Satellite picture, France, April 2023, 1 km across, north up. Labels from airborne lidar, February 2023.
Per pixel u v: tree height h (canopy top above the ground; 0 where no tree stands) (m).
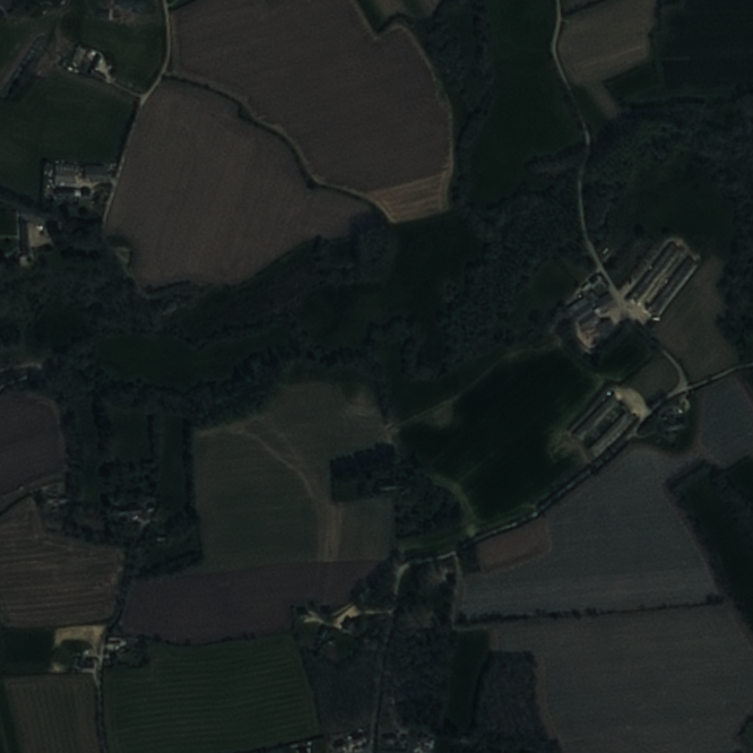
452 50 12
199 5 0
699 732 0
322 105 0
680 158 0
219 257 0
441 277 0
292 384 0
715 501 0
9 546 0
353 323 0
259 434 0
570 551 0
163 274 0
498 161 0
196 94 0
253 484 0
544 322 17
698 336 0
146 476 8
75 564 0
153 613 0
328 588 0
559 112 0
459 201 18
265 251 0
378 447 0
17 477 0
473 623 9
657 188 0
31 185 0
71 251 16
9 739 0
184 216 0
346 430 0
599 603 0
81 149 0
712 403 0
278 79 0
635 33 0
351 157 0
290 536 0
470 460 0
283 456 0
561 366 0
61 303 17
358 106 0
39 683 0
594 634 0
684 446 0
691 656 0
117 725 0
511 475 0
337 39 0
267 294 0
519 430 0
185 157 0
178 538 14
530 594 0
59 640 0
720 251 0
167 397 17
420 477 14
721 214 0
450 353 12
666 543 0
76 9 0
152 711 0
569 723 0
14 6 7
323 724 14
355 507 0
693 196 0
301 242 0
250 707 0
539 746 18
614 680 0
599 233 8
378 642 12
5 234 0
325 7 0
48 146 0
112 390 17
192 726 0
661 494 0
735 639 0
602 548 0
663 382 0
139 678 0
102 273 10
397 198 0
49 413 0
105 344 0
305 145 0
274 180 0
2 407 0
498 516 0
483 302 17
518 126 0
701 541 12
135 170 0
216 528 0
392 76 0
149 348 0
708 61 0
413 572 15
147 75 0
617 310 0
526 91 0
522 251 11
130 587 11
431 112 0
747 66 0
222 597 0
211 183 0
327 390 0
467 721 0
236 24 0
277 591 0
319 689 15
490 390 0
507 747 6
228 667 0
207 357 0
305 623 0
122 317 21
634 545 0
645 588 0
